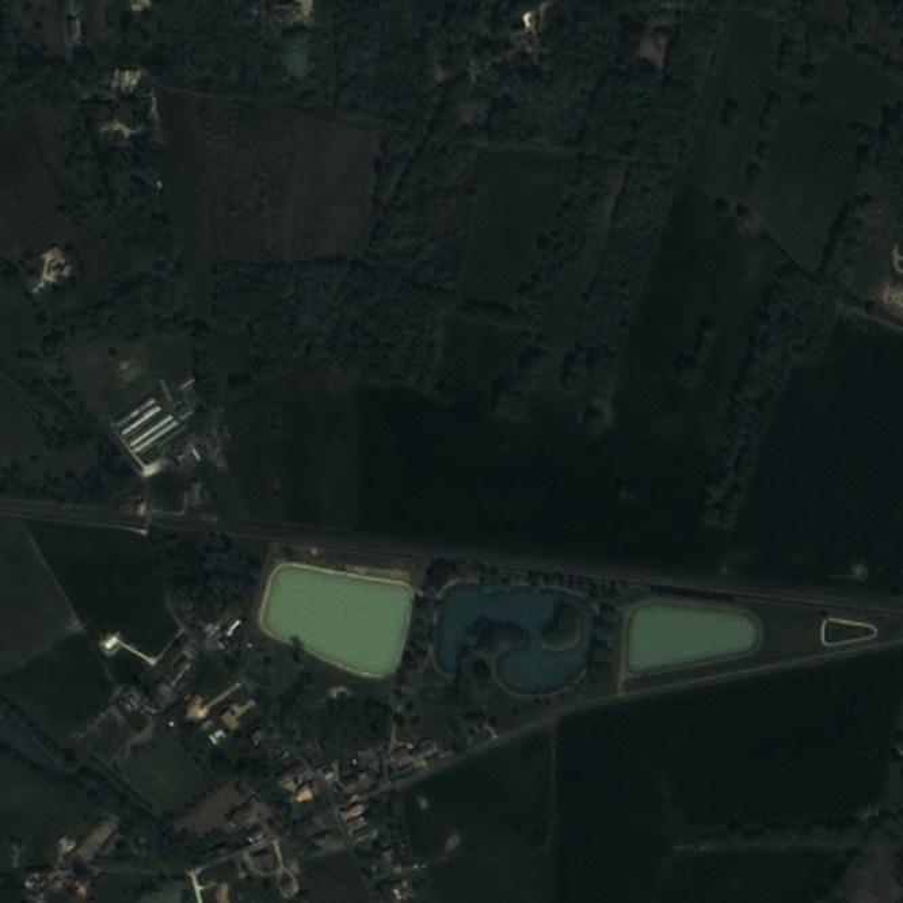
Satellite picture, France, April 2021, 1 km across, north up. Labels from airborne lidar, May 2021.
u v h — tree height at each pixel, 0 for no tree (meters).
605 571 0
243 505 0
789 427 0
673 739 0
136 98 8
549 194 0
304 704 20
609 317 8
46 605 0
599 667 21
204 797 8
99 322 13
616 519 0
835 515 0
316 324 22
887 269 0
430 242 9
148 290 15
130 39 19
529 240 0
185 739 7
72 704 0
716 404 0
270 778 10
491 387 0
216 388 21
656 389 0
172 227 8
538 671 0
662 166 10
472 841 0
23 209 0
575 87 16
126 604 0
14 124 0
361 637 0
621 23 14
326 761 7
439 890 0
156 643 0
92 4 0
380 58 17
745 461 14
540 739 0
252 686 0
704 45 19
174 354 0
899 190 10
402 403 0
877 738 0
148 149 21
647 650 0
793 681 0
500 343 0
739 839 12
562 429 0
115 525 0
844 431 0
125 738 0
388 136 7
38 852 0
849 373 0
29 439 0
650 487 0
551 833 0
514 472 0
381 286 18
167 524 0
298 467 0
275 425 5
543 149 12
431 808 0
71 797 0
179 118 0
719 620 0
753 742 0
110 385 0
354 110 17
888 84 0
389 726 13
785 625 0
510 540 0
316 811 6
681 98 25
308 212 0
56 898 0
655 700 0
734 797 0
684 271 0
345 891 0
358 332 22
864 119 0
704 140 0
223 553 8
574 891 0
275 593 0
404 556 0
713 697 0
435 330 16
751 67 0
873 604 0
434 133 17
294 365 9
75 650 0
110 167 20
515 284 0
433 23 12
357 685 0
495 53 13
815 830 16
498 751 0
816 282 20
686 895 0
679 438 0
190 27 16
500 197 0
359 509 0
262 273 8
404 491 0
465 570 13
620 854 0
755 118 0
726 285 0
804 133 0
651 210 11
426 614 14
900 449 0
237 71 21
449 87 9
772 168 0
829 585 0
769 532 0
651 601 0
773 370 18
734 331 0
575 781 0
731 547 0
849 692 0
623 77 24
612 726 0
